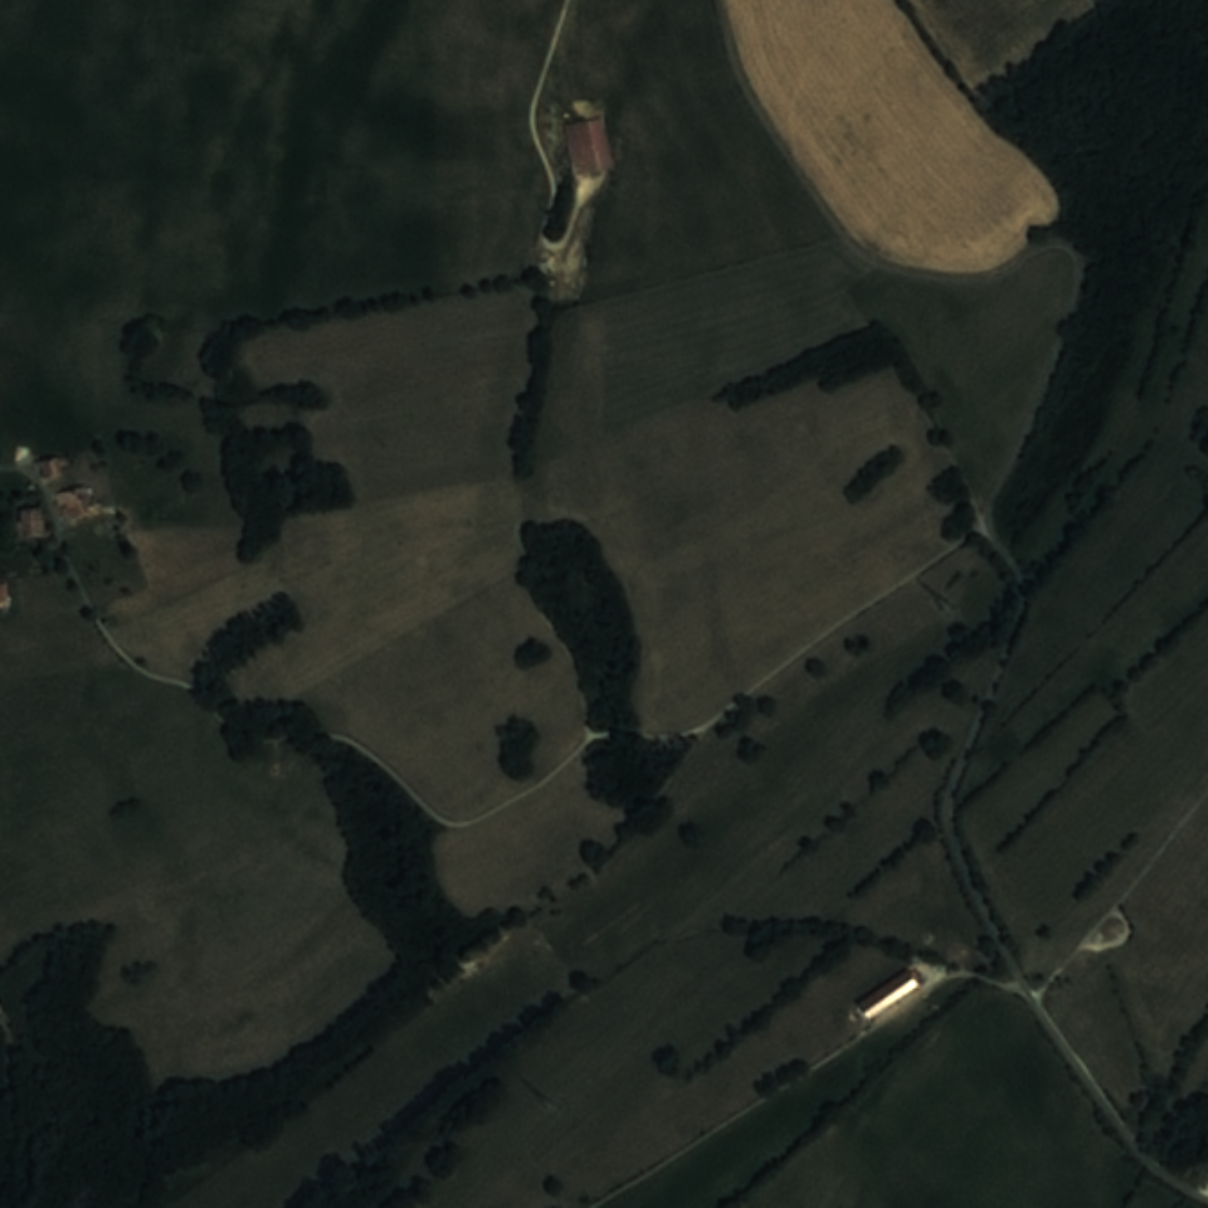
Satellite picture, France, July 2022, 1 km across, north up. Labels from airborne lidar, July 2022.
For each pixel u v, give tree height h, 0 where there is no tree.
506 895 0
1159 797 0
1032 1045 0
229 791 0
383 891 15
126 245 0
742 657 0
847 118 0
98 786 0
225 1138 19
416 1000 23
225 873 0
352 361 0
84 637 0
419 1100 0
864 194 0
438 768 0
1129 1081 0
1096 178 14
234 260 0
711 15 0
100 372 0
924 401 9
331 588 0
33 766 0
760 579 0
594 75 0
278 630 19
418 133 0
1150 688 0
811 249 0
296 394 14
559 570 17
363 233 0
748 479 0
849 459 0
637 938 0
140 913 0
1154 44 18
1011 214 0
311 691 0
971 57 0
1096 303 16
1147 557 0
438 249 0
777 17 0
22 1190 12
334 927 0
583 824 0
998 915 7
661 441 0
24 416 0
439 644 0
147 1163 22
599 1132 0
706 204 0
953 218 0
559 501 0
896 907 0
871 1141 0
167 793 0
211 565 0
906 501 0
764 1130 0
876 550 0
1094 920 0
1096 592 0
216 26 0
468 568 0
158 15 0
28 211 0
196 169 0
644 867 0
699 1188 0
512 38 0
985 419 0
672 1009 0
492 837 0
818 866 0
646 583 0
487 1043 0
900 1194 0
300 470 18
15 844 0
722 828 0
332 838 0
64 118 0
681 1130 0
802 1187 0
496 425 0
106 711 0
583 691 9
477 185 0
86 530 0
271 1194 0
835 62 0
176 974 0
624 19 0
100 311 0
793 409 0
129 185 0
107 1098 24
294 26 0
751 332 0
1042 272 0
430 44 0
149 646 0
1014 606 18
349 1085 0
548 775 0
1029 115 21
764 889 0
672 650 0
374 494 0
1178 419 0
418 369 0
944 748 17
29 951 16
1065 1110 0
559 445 0
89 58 0
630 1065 0
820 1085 0
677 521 0
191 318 0
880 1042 0
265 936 0
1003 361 0
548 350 13
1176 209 18
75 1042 22
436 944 9
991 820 0
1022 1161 0
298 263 0
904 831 0
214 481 0
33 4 0
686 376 0
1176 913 0
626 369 0
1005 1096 0
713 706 0
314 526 0
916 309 0
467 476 0
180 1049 0
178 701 0
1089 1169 0
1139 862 0
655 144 0
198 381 0
